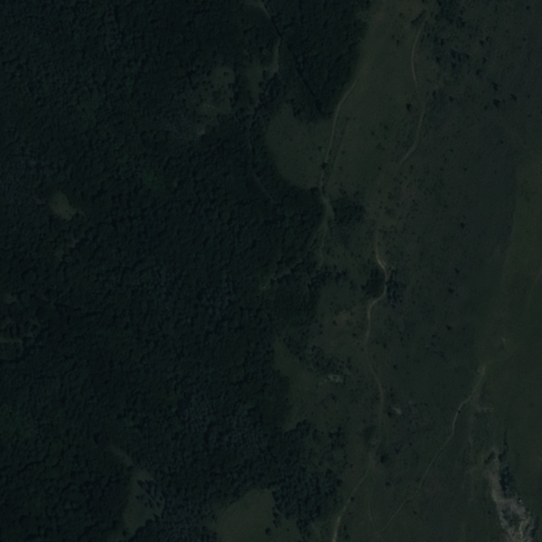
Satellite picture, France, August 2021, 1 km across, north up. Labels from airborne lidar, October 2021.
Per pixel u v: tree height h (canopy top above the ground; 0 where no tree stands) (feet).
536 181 0
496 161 0
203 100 20
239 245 98
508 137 0
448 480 0
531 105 0
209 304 36
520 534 0
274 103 30
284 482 46
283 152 0
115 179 48
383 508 0
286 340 21
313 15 74
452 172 0
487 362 0
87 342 77
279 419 20
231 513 0
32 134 106
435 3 0
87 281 30
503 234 0
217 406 91
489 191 0
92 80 56
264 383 35
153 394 82
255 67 0
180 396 26
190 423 87
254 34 30
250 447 102
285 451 25
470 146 0
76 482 55
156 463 64
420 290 0
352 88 0
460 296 0
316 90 79
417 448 0
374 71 0
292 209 45
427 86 0
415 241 0
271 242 101
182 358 80
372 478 0
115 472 26
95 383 83
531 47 0
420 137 0
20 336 37
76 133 67
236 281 89
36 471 73
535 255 0
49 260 30
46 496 27
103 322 88
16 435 49
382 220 0
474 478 0
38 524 27
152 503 36
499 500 0
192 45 104
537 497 0
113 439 71
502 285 0
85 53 52
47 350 91
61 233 33
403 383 0
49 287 35
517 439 0
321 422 0
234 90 57
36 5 72
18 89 82
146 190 68
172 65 77
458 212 0
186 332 64
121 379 96
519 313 0
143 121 21
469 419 0
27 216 31
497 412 0
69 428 51
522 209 0
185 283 63
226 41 94
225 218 78
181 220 88
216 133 29
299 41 69
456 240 0
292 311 17
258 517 0
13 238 28
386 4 0
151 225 75
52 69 76
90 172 111
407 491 0
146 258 64
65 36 69
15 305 37
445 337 0
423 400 0
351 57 20
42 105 67
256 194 26
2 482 75
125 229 65
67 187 25
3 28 56
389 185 0
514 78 0
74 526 28
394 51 0
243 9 25
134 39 21
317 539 0
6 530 60
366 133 0
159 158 72
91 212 19
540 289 0
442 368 0
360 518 0
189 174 75
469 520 0
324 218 26
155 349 98
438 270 0
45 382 100
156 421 59
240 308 29
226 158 73
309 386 0
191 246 82
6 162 71
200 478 64
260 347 37
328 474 24
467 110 0
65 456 85
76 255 66
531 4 0
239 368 48
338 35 74
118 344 90
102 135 72
